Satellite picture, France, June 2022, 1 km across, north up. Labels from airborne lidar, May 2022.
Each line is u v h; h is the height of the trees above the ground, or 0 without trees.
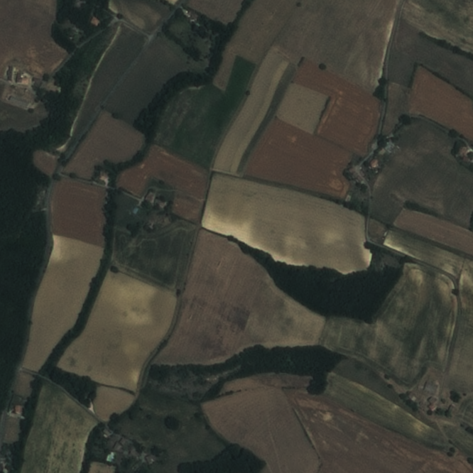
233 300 0
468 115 0
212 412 0
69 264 0
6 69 0
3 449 8
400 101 0
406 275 0
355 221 0
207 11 0
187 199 0
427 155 0
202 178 0
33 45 0
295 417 0
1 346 21
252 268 0
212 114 0
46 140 13
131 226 13
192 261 0
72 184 0
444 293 0
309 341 0
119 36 0
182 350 0
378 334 0
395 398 0
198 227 0
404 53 0
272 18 0
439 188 0
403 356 0
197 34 11
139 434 0
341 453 0
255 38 0
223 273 0
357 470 0
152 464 7
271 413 0
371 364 0
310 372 20
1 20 0
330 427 0
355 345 0
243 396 0
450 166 0
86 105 0
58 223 0
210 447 0
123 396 0
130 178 0
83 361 0
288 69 0
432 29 0
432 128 0
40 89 11
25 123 0
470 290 0
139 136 0
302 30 0
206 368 7
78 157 0
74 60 7
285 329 0
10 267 20
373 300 19
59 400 0
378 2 0
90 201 0
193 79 10
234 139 0
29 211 11
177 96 0
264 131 0
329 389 0
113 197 16
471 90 0
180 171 0
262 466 16
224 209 0
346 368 0
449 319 0
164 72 0
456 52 9
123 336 0
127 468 11
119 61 0
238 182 0
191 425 0
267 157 0
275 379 0
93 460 7
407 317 0
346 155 0
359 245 0
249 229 0
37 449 0
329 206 0
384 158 0
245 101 0
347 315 14
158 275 0
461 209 0
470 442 0
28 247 7
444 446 0
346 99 0
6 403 12
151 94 0
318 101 0
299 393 0
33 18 0
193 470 17
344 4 0
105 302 0
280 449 0
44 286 0
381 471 0
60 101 19
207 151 0
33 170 15
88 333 0
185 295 0
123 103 0
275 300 0
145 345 0
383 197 0
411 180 0
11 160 19
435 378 0
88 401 10
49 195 0
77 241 0
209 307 0
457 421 0
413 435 0
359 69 0
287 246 0
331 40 0
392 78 0
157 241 0
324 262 0
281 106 0
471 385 0
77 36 8
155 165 0
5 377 15
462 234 0
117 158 0
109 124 0
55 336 0
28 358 0
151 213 7
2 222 17
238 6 0
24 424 20
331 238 0
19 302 19
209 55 7
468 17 0
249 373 14
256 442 0
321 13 0
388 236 0
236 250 0
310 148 0
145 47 0
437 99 0
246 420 0
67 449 0
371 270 7
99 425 7
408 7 0
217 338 0
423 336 0
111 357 0
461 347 0
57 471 0
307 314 0
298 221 0
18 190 15
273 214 0
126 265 0
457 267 0
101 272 6
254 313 0
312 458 0
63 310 0
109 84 0
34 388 25
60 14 16
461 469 0
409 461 0
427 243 0
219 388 14
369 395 0
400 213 0
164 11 0
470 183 0
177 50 0
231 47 0
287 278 13
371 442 0
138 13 0
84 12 17
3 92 0
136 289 0
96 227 0
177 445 0
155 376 14
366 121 0
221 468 18
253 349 14
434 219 0
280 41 0
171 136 0
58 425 0
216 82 0
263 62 0
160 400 0
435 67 0
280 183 0
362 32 0
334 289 15
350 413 0
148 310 0
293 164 0
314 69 0
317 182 0
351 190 0
